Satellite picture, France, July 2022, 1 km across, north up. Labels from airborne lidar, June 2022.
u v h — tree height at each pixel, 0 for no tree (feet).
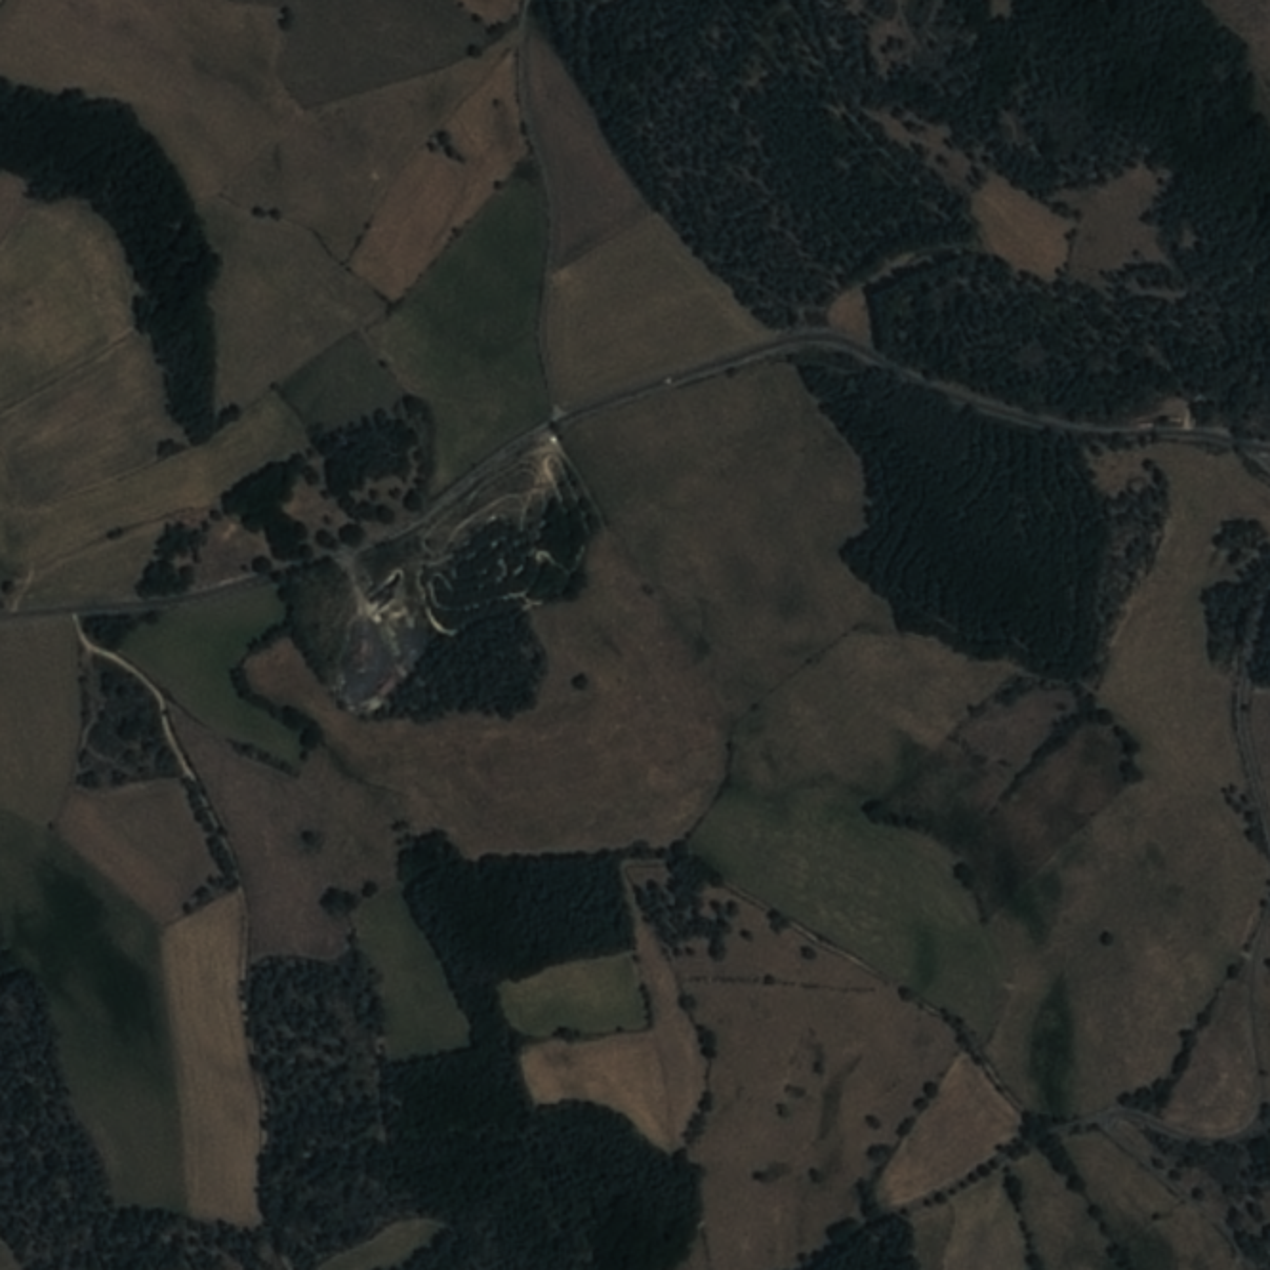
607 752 0
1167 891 0
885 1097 0
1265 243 41
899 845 0
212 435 27
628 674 0
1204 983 0
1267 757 0
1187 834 0
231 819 0
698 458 0
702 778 0
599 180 0
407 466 49
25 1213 40
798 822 0
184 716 0
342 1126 52
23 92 47
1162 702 0
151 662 0
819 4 55
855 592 0
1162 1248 0
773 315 56
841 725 0
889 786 0
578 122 0
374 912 0
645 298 0
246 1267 37
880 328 57
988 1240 0
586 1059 0
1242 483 0
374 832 0
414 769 0
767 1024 0
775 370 0
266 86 0
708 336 0
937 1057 0
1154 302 57
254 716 0
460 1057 44
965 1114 0
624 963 0
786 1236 0
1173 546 0
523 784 0
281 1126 46
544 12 30
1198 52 56
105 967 0
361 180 0
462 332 0
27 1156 64
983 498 40
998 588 52
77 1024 0
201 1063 0
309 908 0
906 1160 0
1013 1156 50
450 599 27
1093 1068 0
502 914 74
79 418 0
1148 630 0
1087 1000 0
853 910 0
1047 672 44
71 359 0
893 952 0
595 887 69
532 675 45
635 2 50
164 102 0
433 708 49
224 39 0
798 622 0
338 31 0
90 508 0
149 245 63
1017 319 43
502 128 0
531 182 0
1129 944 0
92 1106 0
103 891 0
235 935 0
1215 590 30
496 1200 48
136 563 0
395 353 0
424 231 0
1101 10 74
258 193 0
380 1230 0
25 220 0
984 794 0
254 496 58
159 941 0
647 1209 64
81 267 0
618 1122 55
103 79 0
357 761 0
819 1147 0
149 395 0
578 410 0
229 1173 0
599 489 0
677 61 22
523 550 25
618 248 0
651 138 46
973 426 51
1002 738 0
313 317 0
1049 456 50
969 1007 0
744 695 0
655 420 0
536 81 0
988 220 0
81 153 57
